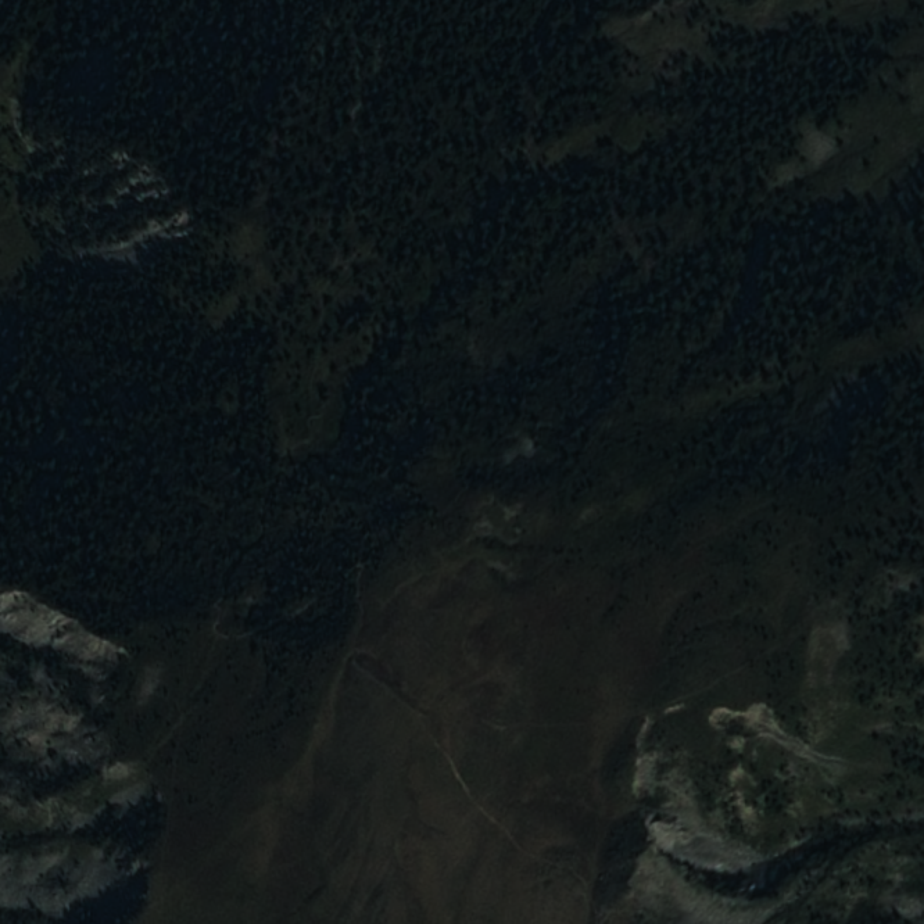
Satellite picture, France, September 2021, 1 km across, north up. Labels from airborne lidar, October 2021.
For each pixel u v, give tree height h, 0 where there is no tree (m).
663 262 9
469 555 0
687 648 0
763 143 20
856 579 0
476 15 24
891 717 0
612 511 0
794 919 0
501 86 17
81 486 7
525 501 0
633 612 0
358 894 0
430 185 17
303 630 7
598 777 0
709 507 0
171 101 20
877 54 0
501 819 0
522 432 0
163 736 0
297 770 0
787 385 7
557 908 0
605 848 0
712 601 0
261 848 0
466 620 0
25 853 0
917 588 11
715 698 0
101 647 0
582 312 6
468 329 12
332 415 0
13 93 0
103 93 8
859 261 11
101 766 0
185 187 16
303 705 0
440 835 0
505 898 0
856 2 0
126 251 0
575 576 0
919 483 0
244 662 0
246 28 8
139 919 0
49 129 15
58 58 12
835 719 0
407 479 7
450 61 18
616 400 7
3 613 0
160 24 21
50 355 9
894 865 0
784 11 0
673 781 0
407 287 0
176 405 7
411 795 0
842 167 0
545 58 10
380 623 0
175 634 7
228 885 0
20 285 8
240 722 0
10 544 12
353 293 0
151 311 15
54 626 0
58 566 15
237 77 7
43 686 0
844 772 0
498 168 0
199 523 8
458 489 0
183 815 0
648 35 0
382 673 0
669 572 0
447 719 0
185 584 0
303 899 0
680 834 0
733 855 0
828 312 21
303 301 7
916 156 0
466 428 11
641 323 6
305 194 7
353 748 0
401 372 0
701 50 0
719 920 0
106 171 11
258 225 0
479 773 0
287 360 13
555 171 8
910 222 16
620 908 0
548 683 0
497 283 13
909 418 11
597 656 0
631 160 8
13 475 5
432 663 0
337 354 0
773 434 7
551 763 0
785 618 0
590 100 10
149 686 0
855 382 0
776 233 12
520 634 0
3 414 29
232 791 0
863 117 0
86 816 0
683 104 9
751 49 16
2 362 10
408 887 0
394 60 10
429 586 0
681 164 10
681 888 0
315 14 17
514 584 0
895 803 0
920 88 0
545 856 0
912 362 10
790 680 0
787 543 0
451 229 0
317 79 10
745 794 0
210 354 14
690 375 10
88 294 20
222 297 14
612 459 0
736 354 8
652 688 0
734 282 12
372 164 6
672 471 0
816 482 11
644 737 0
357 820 0
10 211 0
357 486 0
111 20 22
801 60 7
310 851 0
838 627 0
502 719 0
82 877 0
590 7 6
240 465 11
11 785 0
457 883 0
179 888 0
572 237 16
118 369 9
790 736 0
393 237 9
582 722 0
